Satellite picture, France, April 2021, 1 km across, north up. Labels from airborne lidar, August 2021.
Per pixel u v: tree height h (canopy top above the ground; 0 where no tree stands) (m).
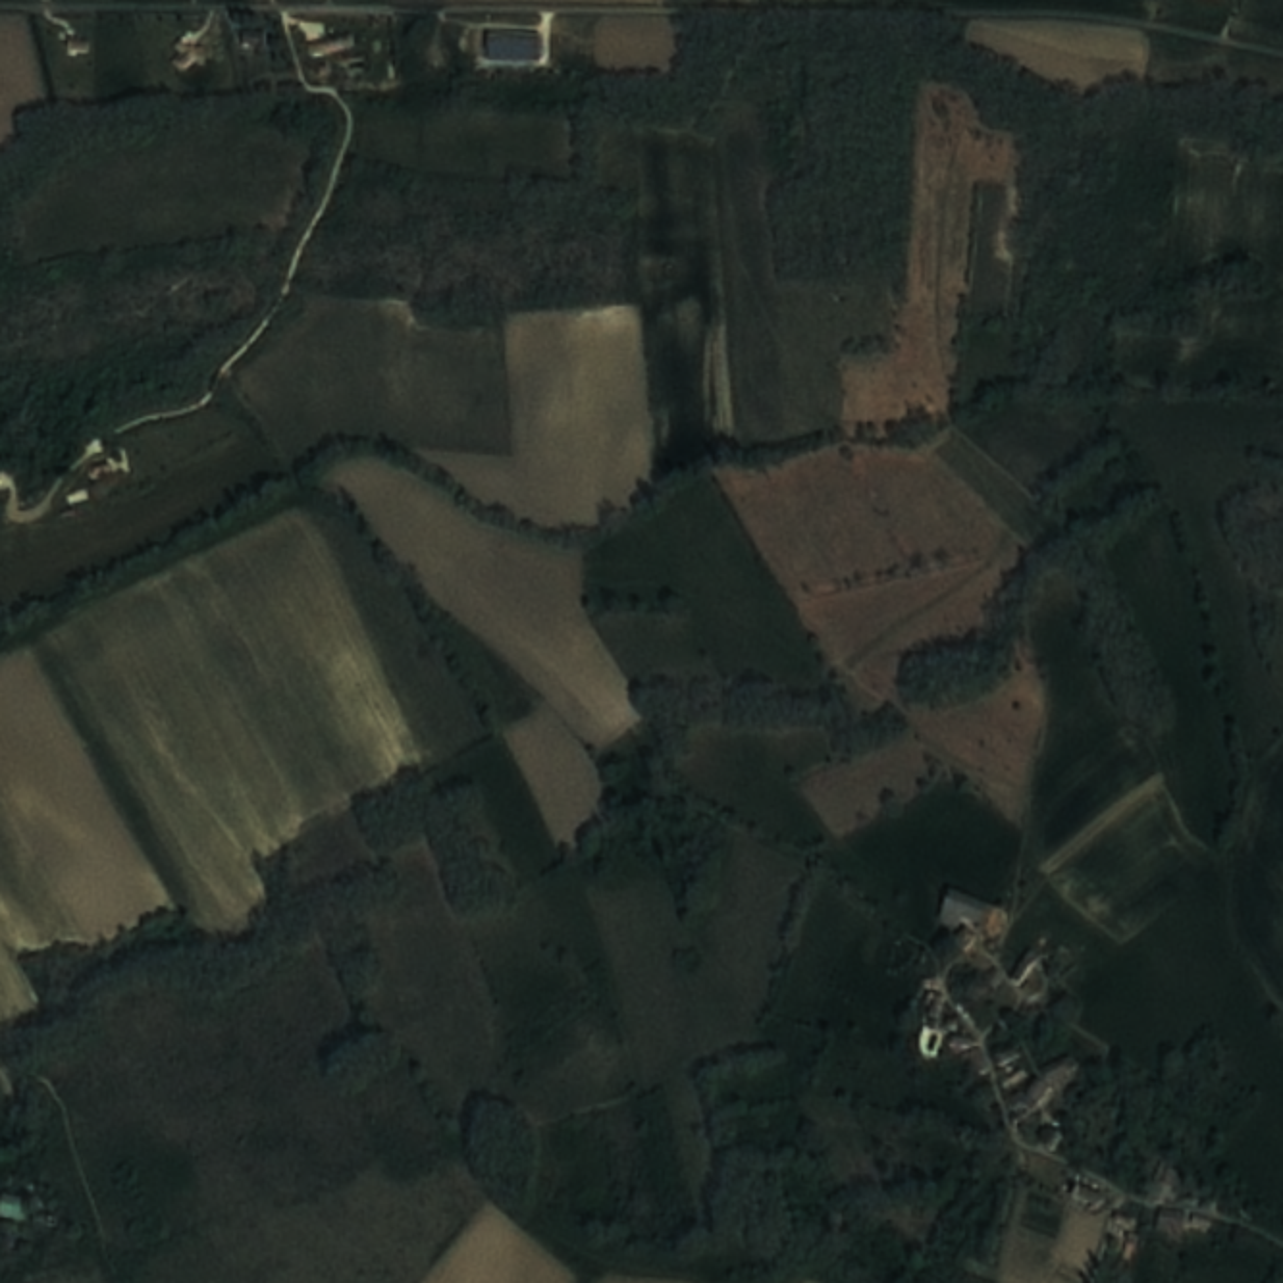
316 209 19
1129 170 5
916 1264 14
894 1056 8
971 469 0
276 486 17
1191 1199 7
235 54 0
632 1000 0
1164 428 0
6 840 0
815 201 16
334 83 10
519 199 15
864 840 0
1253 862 0
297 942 16
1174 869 0
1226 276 15
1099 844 0
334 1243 0
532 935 0
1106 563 17
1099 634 15
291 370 0
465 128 0
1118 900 0
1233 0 0
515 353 0
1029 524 0
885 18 17
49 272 7
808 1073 12
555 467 0
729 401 0
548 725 0
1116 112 21
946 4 0
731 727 10
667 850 11
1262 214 0
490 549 0
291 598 0
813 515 0
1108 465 9
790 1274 16
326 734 0
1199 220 0
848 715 18
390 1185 0
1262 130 22
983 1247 12
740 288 0
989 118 23
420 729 0
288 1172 0
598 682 0
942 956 8
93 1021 14
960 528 0
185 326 8
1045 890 0
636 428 0
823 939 0
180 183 0
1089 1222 0
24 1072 15
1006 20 0
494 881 18
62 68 0
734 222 0
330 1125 0
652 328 0
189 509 0
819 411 0
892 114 19
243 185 0
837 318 0
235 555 0
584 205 12
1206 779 0
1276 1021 16
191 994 11
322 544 0
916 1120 18
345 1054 22
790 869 0
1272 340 0
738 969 0
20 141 12
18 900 0
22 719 0
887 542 0
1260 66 0
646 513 13
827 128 18
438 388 0
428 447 0
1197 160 0
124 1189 6
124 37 0
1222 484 0
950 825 0
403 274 6
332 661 0
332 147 19
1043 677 6
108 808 0
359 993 14
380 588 0
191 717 0
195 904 0
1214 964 0
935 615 0
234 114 18
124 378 8
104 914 0
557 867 10
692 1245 18
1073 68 0
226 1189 0
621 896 0
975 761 0
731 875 0
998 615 10
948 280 0
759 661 0
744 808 0
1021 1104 0
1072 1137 10
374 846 15
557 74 6
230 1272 0
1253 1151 0
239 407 10
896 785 0
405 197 11
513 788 0
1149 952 0
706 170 0
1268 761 0
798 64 19
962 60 24
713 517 0
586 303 14
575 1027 0
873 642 0
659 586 0
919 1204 18
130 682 0
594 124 19
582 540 16
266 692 0
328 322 0
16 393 13
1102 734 0
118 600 0
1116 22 0
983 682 23
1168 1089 15
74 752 0
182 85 0
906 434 15
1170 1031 0
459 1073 0
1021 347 13
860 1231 15
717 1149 15
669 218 0
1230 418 0
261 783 0
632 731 0
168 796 0
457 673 12
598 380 0
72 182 0
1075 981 0
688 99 20
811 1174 12
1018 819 0
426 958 0
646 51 0
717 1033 0
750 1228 17
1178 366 0
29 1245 8
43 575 0
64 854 0
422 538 0
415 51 0
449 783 0
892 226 16
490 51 0
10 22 0
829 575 0
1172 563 0
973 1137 14
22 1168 7
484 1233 0
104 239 0
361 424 0
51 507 0
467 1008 0
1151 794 0
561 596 0
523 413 0
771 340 0
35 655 0
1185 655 0
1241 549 13
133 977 19
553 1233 0
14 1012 0
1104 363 7
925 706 10
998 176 0
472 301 12
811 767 0
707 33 19
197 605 0
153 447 0
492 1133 22
